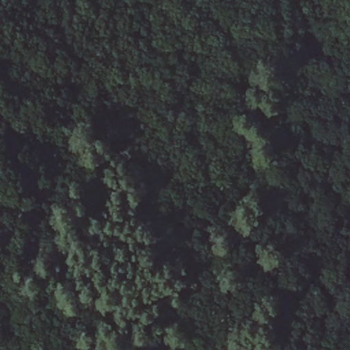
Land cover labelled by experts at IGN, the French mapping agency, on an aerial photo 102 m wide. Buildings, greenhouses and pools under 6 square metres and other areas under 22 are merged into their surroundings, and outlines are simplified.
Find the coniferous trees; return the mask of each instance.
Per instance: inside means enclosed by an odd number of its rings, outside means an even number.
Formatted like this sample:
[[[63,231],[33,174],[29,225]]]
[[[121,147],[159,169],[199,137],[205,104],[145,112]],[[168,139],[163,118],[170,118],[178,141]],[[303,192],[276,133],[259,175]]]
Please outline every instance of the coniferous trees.
[[[254,308],[250,308],[247,316],[239,319],[238,328],[228,329],[228,342],[235,343],[235,350],[268,350],[269,342],[278,329],[269,323],[272,317],[275,317],[275,310],[271,302],[267,301],[267,297],[264,297],[261,302],[254,305]]]
[[[183,224],[186,211],[176,208],[175,205],[168,206],[165,213],[159,209],[160,190],[170,185],[170,180],[174,178],[174,170],[161,170],[160,165],[148,161],[142,150],[134,150],[130,153],[130,159],[123,164],[123,172],[126,174],[126,185],[134,189],[134,197],[127,197],[126,191],[122,191],[118,196],[105,185],[104,170],[107,170],[109,163],[104,160],[94,168],[96,178],[90,179],[82,189],[78,187],[75,190],[77,198],[68,196],[52,200],[52,206],[66,211],[62,215],[63,223],[66,224],[66,234],[64,247],[60,252],[66,254],[68,267],[67,279],[64,280],[62,287],[72,310],[82,305],[79,294],[89,295],[96,301],[101,295],[108,295],[105,321],[101,321],[97,327],[96,350],[182,350],[187,340],[194,339],[196,324],[191,317],[186,320],[180,319],[171,302],[178,302],[179,291],[182,290],[182,283],[186,279],[185,275],[180,275],[180,271],[190,269],[189,258],[183,256],[180,250],[185,249],[193,231]]]
[[[238,201],[237,211],[231,213],[228,220],[230,226],[234,226],[235,230],[245,237],[253,227],[258,226],[260,215],[257,189],[250,189],[246,197]]]
[[[245,115],[234,116],[232,119],[234,130],[252,142],[254,171],[269,165],[262,153],[262,146],[272,135],[271,131],[265,129],[271,123],[268,118],[278,115],[278,112],[271,109],[278,103],[278,98],[273,97],[272,90],[268,87],[271,72],[262,62],[258,62],[258,75],[250,72],[249,86],[246,90],[246,103],[252,109],[245,111]]]

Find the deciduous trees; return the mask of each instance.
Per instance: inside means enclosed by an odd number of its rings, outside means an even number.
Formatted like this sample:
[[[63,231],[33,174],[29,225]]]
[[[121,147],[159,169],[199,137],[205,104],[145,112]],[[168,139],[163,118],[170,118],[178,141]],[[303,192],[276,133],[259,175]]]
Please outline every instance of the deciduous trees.
[[[262,62],[271,72],[268,87],[272,90],[273,97],[278,98],[278,103],[271,109],[278,112],[278,115],[268,118],[271,123],[265,129],[271,131],[272,135],[262,146],[262,153],[269,165],[254,171],[252,142],[234,130],[232,119],[234,116],[245,115],[245,111],[252,109],[246,103],[246,90],[249,86],[250,72],[258,75],[258,62]],[[68,196],[77,198],[75,190],[78,187],[82,189],[90,179],[96,178],[94,168],[104,160],[109,163],[107,170],[104,170],[105,185],[118,196],[122,191],[126,191],[127,197],[134,197],[134,189],[126,185],[126,174],[123,172],[123,164],[130,159],[130,153],[134,150],[142,150],[148,161],[160,165],[161,170],[174,170],[174,178],[170,180],[170,185],[160,190],[159,209],[165,213],[168,206],[175,205],[176,208],[186,211],[183,224],[193,231],[185,249],[180,250],[183,256],[189,258],[190,269],[180,271],[180,275],[185,275],[186,279],[182,283],[182,290],[179,291],[178,302],[171,302],[180,319],[186,320],[191,317],[196,324],[194,339],[187,340],[182,350],[235,350],[235,343],[228,342],[228,329],[238,328],[239,319],[247,316],[250,308],[254,308],[254,305],[261,302],[264,297],[267,297],[267,301],[271,302],[275,310],[275,317],[272,317],[269,323],[278,329],[269,342],[268,350],[350,350],[350,0],[0,0],[0,350],[96,350],[97,327],[101,321],[105,321],[108,295],[101,295],[96,301],[89,295],[79,294],[82,305],[72,310],[62,287],[64,280],[67,279],[68,267],[66,254],[60,252],[64,247],[66,234],[66,224],[63,223],[62,215],[66,211],[52,206],[52,200]],[[231,213],[237,211],[238,201],[246,197],[250,189],[257,189],[260,215],[258,226],[253,227],[245,237],[235,230],[234,226],[230,226],[228,220]]]

